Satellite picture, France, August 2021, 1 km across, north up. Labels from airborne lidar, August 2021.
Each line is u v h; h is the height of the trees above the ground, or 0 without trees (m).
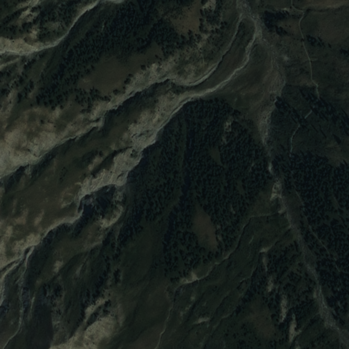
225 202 14
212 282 0
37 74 0
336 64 0
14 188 0
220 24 7
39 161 0
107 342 0
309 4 0
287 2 0
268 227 0
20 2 9
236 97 0
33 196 0
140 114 0
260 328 0
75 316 0
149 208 0
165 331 0
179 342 0
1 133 0
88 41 7
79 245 0
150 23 22
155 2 21
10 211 0
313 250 21
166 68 0
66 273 0
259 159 22
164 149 8
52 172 0
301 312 13
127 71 0
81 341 0
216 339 0
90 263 0
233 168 20
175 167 8
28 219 0
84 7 0
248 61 0
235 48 0
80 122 0
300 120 22
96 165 0
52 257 0
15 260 0
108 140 0
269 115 0
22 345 0
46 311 0
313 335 0
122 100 0
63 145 0
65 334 0
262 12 0
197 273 0
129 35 17
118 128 0
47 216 0
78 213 0
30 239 0
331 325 0
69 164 0
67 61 14
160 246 0
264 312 0
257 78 0
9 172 0
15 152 0
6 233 0
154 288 0
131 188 0
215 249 0
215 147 16
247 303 11
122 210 0
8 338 0
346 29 0
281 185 0
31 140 0
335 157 0
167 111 0
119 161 0
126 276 0
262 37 0
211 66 0
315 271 0
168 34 22
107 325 0
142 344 0
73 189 0
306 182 13
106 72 0
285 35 19
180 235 16
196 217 0
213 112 11
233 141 21
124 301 0
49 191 0
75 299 0
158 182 7
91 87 0
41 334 0
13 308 0
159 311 0
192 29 0
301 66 0
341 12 0
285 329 15
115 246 9
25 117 0
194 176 11
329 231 12
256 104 0
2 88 0
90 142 0
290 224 0
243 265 0
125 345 0
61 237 0
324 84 0
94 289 0
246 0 0
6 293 0
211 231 0
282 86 0
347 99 0
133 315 0
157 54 0
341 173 23
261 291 11
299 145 0
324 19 0
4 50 0
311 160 17
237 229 20
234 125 15
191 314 0
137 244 0
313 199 19
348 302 14
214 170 18
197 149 13
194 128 13
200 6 0
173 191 22
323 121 23
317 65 0
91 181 0
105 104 0
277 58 0
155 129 0
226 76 0
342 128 6
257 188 15
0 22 0
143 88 0
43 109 0
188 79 0
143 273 0
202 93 0
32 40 0
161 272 0
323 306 0
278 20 18
